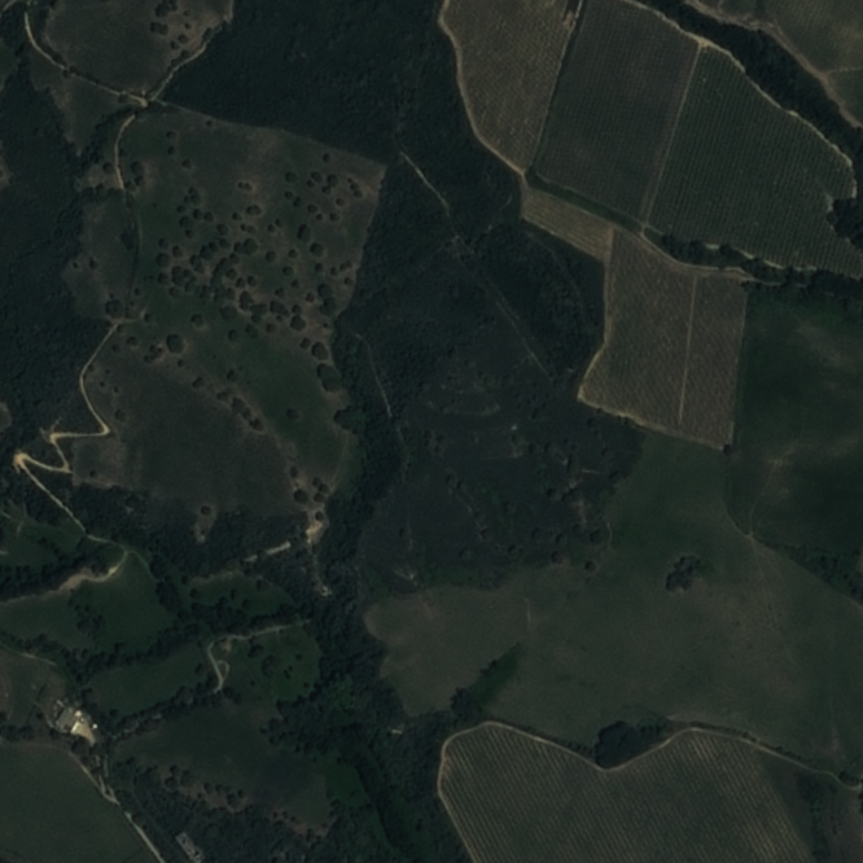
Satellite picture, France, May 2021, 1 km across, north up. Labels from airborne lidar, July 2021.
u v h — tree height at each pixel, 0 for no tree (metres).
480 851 0
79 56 0
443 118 6
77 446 0
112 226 0
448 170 6
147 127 0
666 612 0
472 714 18
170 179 0
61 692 0
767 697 0
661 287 0
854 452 0
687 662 0
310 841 7
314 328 0
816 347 0
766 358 0
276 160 0
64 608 0
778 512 0
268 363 0
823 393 0
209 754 0
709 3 0
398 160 7
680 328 0
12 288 7
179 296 12
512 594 0
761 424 0
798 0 0
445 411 7
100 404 0
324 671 12
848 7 0
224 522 9
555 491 12
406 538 8
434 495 0
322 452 0
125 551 0
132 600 0
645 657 0
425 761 17
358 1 11
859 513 0
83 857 0
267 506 0
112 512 10
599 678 0
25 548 0
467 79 0
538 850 0
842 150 9
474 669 0
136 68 0
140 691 0
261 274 0
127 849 0
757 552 0
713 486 0
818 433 0
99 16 0
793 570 0
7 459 9
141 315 0
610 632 0
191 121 0
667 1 19
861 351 0
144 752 0
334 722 19
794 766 0
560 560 10
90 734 0
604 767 15
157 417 0
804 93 16
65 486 8
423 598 0
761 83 18
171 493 0
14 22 9
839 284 22
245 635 11
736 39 27
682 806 0
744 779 0
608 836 0
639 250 0
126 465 0
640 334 0
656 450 0
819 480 0
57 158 6
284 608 11
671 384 0
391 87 7
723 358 0
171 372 0
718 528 0
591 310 8
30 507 12
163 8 11
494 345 0
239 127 0
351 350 11
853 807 0
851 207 14
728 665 0
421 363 7
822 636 0
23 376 8
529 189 0
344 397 0
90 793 0
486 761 0
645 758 0
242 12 5
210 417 0
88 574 0
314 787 0
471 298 7
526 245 6
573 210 0
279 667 11
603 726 0
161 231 0
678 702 0
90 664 12
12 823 0
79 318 7
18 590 15
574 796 0
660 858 0
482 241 11
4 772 0
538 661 0
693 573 6
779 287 9
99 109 0
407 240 6
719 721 0
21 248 6
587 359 12
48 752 0
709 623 0
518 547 9
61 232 9
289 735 18
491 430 0
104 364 0
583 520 0
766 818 0
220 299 9
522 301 7
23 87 9
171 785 11
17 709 0
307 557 10
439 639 0
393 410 6
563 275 7
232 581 0
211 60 7
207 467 0
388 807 21
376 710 9
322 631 15
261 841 9
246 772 0
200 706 15
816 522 0
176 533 6
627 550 0
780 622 0
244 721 0
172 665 0
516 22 0
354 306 6
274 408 0
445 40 7
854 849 0
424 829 14
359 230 0
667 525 0
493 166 7
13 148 6
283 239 0
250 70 7
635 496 0
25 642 6
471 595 0
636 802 0
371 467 11
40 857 0
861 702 0
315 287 0
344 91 6
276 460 0
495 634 0
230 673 0
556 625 0
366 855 12
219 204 0
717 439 0
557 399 6
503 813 0
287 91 5
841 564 12
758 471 0
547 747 0
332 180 12
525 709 0
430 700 0
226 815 11
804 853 0
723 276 0
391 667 0
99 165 10
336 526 9
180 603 11
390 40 6
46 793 0
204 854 8
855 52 0
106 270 0
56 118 7
